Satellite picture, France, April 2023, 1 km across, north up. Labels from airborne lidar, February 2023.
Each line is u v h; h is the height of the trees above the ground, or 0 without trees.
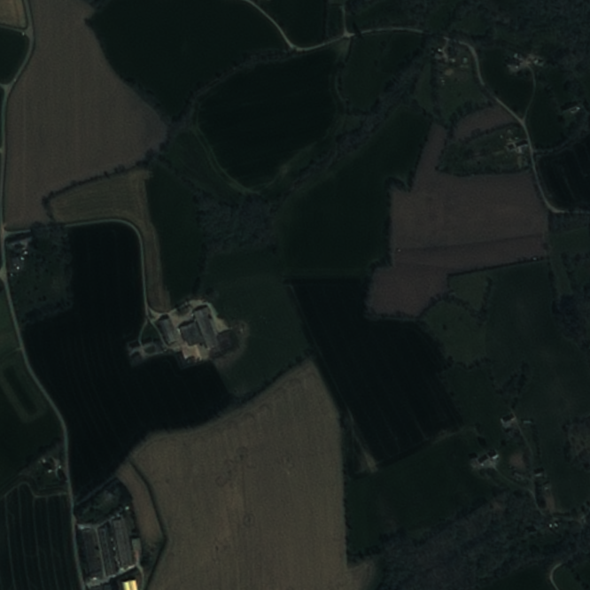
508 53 0
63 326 0
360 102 0
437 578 20
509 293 0
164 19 0
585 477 0
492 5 0
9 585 0
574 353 0
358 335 0
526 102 0
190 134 0
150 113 0
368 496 0
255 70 0
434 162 0
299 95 0
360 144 8
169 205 0
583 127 24
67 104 0
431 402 0
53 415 0
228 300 0
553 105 11
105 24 0
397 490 0
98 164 0
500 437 0
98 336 0
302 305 0
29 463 13
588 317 15
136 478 0
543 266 0
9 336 0
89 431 0
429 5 10
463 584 19
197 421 0
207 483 0
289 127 0
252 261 0
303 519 0
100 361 0
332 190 0
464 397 0
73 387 0
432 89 13
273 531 0
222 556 0
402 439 0
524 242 0
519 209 0
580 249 0
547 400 0
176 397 0
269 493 0
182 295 0
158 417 0
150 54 0
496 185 0
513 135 0
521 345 0
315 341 0
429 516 0
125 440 0
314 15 0
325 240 0
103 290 0
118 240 0
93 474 0
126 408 0
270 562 0
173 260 0
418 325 11
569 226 11
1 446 0
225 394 0
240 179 0
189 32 0
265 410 0
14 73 0
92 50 0
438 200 0
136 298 0
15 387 0
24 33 0
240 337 0
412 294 0
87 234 0
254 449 0
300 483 0
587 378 0
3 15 0
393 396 0
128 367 0
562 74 14
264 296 0
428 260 0
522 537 15
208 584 0
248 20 0
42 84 0
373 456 0
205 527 0
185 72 0
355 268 0
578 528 8
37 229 17
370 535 0
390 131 0
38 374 0
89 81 0
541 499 14
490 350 0
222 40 0
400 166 0
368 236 0
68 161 0
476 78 7
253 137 0
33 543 0
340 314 0
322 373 0
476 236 0
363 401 0
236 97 0
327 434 0
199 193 8
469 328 0
